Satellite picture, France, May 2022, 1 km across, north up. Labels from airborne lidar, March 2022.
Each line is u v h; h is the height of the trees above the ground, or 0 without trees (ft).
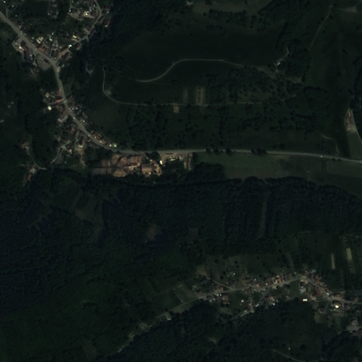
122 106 0
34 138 0
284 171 0
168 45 0
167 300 0
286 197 74
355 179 0
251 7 0
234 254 39
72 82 0
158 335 69
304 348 57
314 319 0
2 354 52
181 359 43
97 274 52
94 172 0
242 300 0
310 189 86
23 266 86
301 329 0
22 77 0
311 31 0
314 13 0
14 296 72
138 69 0
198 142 0
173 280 0
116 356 0
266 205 0
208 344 67
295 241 0
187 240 0
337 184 0
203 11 0
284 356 0
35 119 0
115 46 47
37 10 0
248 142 0
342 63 0
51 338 56
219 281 0
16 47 0
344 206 68
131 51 0
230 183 47
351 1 0
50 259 0
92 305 72
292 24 64
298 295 0
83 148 0
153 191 64
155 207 83
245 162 0
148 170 0
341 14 0
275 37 0
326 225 57
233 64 0
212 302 0
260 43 0
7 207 110
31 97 0
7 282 96
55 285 50
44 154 0
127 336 32
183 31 0
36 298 57
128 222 87
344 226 66
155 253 97
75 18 0
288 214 61
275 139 0
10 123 0
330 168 0
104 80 0
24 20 36
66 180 0
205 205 60
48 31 0
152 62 0
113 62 56
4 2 0
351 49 0
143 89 0
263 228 0
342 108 0
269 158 0
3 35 0
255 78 39
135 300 31
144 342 81
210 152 56
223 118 50
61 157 0
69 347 40
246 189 79
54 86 20
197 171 62
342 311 0
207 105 0
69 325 61
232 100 36
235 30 0
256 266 0
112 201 0
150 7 60
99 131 0
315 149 0
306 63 25
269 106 49
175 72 0
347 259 0
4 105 0
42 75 0
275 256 0
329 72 0
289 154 0
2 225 94
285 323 35
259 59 0
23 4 0
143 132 23
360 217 76
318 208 74
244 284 0
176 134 0
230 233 55
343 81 0
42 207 86
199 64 0
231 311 0
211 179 48
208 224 51
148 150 0
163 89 0
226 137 18
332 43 0
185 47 0
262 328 0
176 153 0
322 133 0
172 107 0
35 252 93
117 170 0
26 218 103
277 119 0
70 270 54
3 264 73
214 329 52
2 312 63
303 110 0
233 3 0
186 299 0
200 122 0
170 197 73
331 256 0
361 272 0
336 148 0
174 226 70
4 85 0
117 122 0
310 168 0
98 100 0
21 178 66
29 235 91
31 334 54
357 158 0
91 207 0
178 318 66
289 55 38
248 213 76
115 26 61
